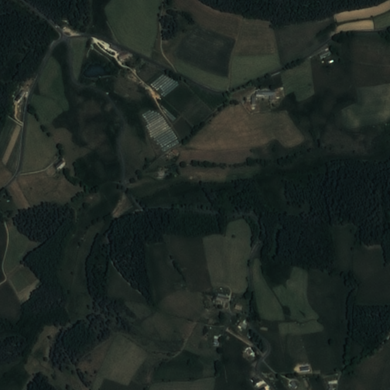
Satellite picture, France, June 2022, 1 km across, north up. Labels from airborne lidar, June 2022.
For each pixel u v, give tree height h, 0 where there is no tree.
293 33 0
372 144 0
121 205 0
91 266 12
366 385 0
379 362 0
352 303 14
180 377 0
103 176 0
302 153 13
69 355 11
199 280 0
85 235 0
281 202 0
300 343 0
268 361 0
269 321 0
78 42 0
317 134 0
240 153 0
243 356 0
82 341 19
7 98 22
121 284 0
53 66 0
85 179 0
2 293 0
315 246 19
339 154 0
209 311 0
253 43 0
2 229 0
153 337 0
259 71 0
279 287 0
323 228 19
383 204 15
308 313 0
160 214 24
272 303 0
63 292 28
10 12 24
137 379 0
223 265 0
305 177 0
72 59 0
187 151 0
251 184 25
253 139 0
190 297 0
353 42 0
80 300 0
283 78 0
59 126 0
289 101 0
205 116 0
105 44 0
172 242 0
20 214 11
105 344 0
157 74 0
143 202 18
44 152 0
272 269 0
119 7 0
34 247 0
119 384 0
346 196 28
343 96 0
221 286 0
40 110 0
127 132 0
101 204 0
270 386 0
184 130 0
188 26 0
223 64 0
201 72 0
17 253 0
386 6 0
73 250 0
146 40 0
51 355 8
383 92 0
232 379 0
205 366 0
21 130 0
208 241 0
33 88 0
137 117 0
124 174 0
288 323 0
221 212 20
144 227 20
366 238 28
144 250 22
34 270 28
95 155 0
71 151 0
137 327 0
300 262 19
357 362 16
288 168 0
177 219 20
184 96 0
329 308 0
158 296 0
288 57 0
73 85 0
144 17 0
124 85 0
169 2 14
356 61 0
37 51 16
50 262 24
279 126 0
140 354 0
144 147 0
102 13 0
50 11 18
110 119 0
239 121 0
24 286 0
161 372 0
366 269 0
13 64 7
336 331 0
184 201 0
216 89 0
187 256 0
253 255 0
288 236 24
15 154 0
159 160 0
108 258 17
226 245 0
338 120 0
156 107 0
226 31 0
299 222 23
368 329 21
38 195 0
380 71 0
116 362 0
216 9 14
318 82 0
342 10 15
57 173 6
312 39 0
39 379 22
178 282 0
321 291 0
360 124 0
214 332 0
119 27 0
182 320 0
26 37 19
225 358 0
